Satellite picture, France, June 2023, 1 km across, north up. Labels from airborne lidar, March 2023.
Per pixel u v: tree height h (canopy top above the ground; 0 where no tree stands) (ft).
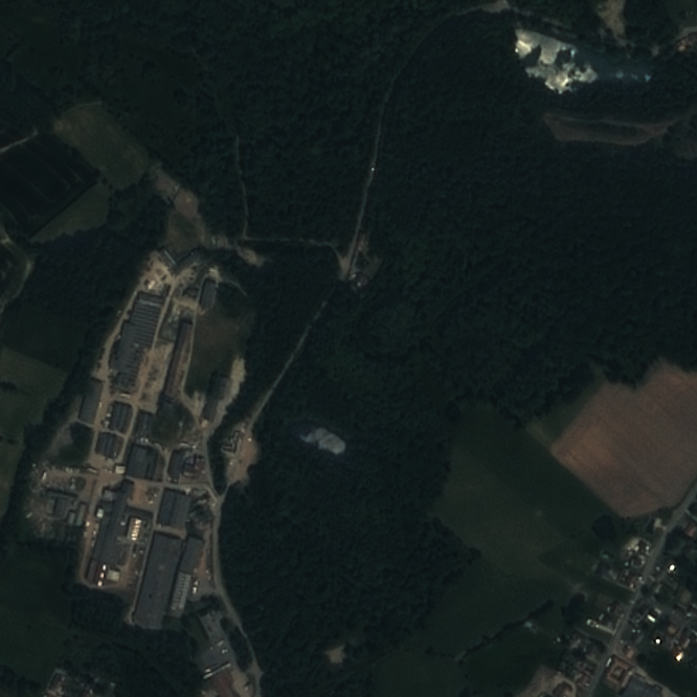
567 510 0
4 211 21
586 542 0
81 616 87
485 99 55
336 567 74
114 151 0
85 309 64
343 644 0
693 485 0
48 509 0
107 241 74
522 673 0
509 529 0
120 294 45
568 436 0
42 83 0
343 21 89
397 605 78
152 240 61
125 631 54
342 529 53
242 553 36
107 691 31
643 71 0
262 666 61
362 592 54
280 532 57
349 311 67
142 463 0
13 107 112
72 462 0
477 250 94
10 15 0
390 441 66
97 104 0
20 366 0
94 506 0
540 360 99
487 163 62
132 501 0
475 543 0
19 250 0
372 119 72
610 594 0
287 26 89
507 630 33
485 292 80
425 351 65
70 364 0
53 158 0
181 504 0
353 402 62
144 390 0
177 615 0
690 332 80
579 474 0
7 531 68
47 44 0
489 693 0
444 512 0
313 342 60
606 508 0
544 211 88
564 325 91
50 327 0
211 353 0
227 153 81
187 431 0
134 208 0
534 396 81
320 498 54
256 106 88
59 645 0
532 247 87
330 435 0
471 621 0
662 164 51
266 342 29
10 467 0
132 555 0
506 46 74
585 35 48
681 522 0
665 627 31
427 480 70
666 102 45
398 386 53
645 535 0
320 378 60
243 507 29
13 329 0
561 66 0
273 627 60
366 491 66
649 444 0
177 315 0
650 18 68
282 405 68
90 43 63
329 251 39
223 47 93
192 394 0
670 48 43
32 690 28
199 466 0
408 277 44
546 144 36
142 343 0
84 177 0
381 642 60
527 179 64
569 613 47
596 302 80
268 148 86
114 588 0
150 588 0
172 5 46
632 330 74
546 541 0
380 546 67
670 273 73
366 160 67
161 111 0
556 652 0
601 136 0
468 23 60
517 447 0
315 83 56
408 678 0
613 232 71
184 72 0
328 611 54
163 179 0
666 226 60
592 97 43
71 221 0
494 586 0
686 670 0
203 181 78
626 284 88
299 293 52
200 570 0
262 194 73
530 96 48
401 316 104
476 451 0
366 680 22
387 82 73
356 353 74
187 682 60
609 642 0
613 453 0
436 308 53
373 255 38
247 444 0
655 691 0
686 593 0
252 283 71
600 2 0
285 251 70
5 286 0
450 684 0
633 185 66
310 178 69
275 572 65
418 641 0
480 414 0
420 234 87
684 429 0
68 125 0
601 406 0
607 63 0
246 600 56
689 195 63
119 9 33
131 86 0
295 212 67
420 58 49
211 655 0
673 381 0
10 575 0
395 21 82
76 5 57
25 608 0
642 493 0
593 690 0
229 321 0
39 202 0
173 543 0
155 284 0
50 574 0
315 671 31
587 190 75
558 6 52
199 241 0
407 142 56
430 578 45
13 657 0
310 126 78
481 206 94
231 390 0
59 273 78
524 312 80
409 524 68
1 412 0
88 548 0
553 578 0
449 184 42
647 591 46
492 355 89
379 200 64
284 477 60
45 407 0
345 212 69
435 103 47
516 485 0
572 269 72
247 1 67
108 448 0
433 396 0
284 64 80
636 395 0
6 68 101
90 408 0
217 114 23
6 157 0
